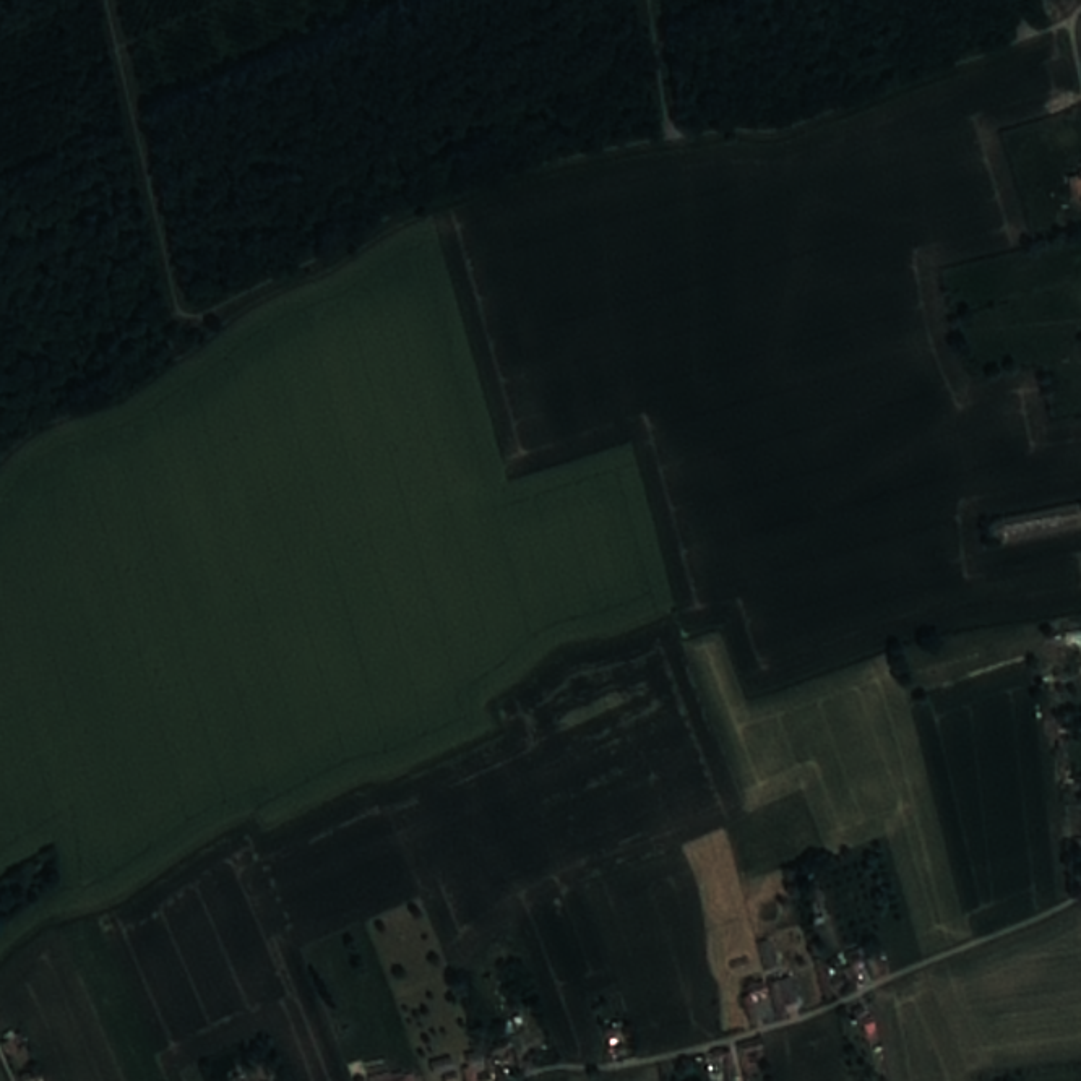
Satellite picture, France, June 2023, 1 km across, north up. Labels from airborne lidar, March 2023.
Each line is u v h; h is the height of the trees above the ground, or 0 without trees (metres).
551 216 0
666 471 0
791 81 21
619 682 0
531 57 36
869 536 0
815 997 0
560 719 0
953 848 0
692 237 0
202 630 0
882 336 0
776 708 0
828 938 0
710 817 0
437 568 0
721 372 0
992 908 0
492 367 0
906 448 0
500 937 0
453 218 0
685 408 0
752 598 0
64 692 0
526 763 0
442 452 0
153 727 0
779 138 0
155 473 0
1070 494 0
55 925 0
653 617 0
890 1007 0
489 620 0
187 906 0
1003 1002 0
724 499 0
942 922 0
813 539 0
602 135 18
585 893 0
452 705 0
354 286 0
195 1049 0
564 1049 0
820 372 0
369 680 0
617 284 0
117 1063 0
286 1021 0
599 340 0
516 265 0
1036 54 0
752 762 0
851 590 0
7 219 21
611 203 0
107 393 16
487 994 0
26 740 0
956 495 0
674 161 0
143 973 0
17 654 0
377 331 0
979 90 0
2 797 0
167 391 0
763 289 0
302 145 34
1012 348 0
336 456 0
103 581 0
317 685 0
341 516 0
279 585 0
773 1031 0
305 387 0
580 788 0
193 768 0
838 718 0
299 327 0
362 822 0
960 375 0
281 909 0
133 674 0
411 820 0
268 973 0
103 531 0
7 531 0
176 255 16
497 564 0
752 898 0
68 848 0
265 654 0
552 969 0
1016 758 0
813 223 0
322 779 0
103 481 0
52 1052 0
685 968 0
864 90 21
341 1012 0
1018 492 0
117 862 0
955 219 0
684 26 27
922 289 0
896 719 0
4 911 8
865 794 0
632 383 0
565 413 0
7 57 11
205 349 0
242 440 0
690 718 0
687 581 0
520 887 0
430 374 0
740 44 23
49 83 12
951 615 0
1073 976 0
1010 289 0
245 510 0
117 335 14
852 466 0
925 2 23
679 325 0
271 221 15
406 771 0
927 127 0
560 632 0
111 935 0
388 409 0
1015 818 0
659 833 0
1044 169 0
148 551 0
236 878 0
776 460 0
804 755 0
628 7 21
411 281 0
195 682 0
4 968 0
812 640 0
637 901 0
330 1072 0
